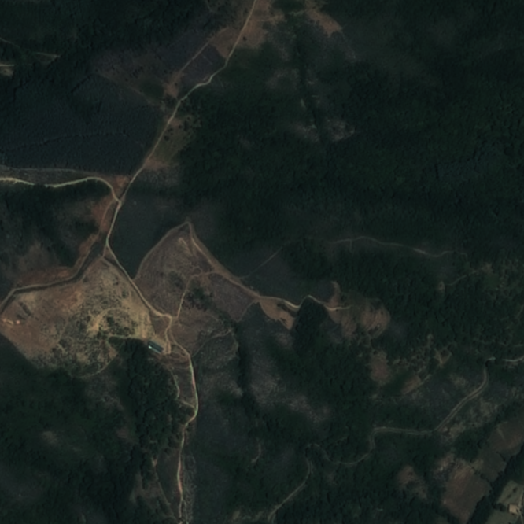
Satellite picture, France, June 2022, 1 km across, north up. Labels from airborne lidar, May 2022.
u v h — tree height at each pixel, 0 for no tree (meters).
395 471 7
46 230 16
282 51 0
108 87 12
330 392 6
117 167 12
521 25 6
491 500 10
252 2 0
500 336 10
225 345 0
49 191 10
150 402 15
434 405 0
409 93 11
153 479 10
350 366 11
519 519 0
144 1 15
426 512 12
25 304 0
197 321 0
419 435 8
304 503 8
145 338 0
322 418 0
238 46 0
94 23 14
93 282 0
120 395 0
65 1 20
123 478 13
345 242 0
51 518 10
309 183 14
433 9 8
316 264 14
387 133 9
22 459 10
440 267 0
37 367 0
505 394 0
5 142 16
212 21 10
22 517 9
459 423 0
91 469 9
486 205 17
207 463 0
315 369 8
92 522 0
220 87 0
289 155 8
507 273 10
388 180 21
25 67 13
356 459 13
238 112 6
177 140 0
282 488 12
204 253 0
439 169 27
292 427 7
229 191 10
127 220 0
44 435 0
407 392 0
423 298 14
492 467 0
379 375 0
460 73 12
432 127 16
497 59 10
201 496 0
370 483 15
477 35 8
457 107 16
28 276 0
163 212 0
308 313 16
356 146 15
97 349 0
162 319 0
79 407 12
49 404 8
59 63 19
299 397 0
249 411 14
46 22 15
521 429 0
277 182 11
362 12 7
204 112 8
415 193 22
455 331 11
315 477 9
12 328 0
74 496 15
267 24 0
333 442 13
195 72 0
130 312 0
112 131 15
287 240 6
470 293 8
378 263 9
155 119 14
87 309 0
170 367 0
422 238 7
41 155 13
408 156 11
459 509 0
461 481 0
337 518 15
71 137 13
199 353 0
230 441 0
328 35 0
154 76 0
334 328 0
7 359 0
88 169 11
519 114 18
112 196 0
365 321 0
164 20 15
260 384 0
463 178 27
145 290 0
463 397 0
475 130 16
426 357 10
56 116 16
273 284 0
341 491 10
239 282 0
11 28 6
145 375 10
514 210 18
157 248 0
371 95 12
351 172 21
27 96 21
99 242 0
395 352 9
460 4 9
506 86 14
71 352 0
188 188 11
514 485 0
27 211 10
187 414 6
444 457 0
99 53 11
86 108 15
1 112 12
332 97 7
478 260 8
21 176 0
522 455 20
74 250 0
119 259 0
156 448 10
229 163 8
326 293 0
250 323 0
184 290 0
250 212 12
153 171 0
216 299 0
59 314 0
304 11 0
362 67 6
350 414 17
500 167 20
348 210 10
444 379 0
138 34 18
